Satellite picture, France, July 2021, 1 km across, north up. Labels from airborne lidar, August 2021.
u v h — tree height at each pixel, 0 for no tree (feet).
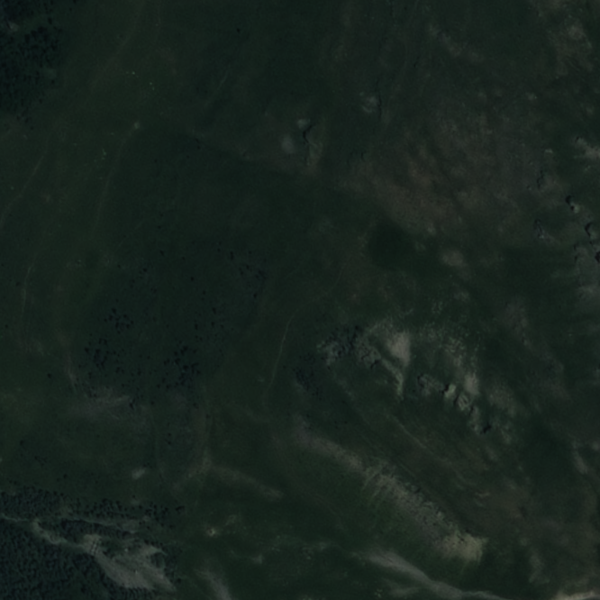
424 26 0
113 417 0
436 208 0
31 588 31
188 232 0
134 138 0
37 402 0
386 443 0
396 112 0
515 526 0
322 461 0
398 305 0
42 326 0
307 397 0
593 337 0
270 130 0
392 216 0
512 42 0
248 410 0
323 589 0
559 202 0
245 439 0
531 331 0
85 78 0
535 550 0
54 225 0
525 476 0
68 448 0
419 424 0
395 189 0
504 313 0
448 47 0
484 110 0
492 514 0
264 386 0
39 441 0
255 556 0
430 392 0
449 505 0
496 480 0
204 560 0
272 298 0
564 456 0
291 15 0
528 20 0
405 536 0
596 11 0
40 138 0
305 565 0
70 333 0
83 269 0
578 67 0
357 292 0
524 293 0
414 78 0
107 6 0
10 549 49
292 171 0
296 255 0
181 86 0
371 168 0
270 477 0
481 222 0
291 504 0
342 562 0
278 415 0
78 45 0
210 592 0
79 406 0
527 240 0
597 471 0
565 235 0
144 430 0
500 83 0
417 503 0
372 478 0
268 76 0
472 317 0
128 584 0
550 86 0
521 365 0
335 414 0
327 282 0
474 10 0
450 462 0
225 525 0
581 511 0
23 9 25
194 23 0
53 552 40
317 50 0
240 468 0
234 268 0
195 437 0
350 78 0
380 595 0
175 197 0
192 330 0
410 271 0
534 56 0
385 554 0
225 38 0
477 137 0
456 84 0
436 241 0
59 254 0
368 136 0
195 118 0
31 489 19
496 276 0
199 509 0
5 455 0
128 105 0
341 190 0
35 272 0
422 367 0
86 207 0
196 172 0
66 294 0
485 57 0
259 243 0
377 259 0
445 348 0
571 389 0
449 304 0
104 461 0
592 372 0
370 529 0
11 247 0
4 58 39
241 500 0
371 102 0
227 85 0
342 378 0
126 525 0
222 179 0
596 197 0
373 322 0
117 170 0
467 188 0
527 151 0
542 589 0
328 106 0
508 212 0
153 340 0
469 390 0
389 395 0
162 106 0
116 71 0
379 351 0
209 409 0
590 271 0
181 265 0
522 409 0
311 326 0
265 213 0
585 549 0
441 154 0
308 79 0
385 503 0
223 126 0
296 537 0
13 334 0
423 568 0
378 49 0
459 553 0
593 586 0
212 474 0
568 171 0
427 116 0
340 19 0
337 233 0
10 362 0
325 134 0
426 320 0
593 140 0
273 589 0
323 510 0
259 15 0
